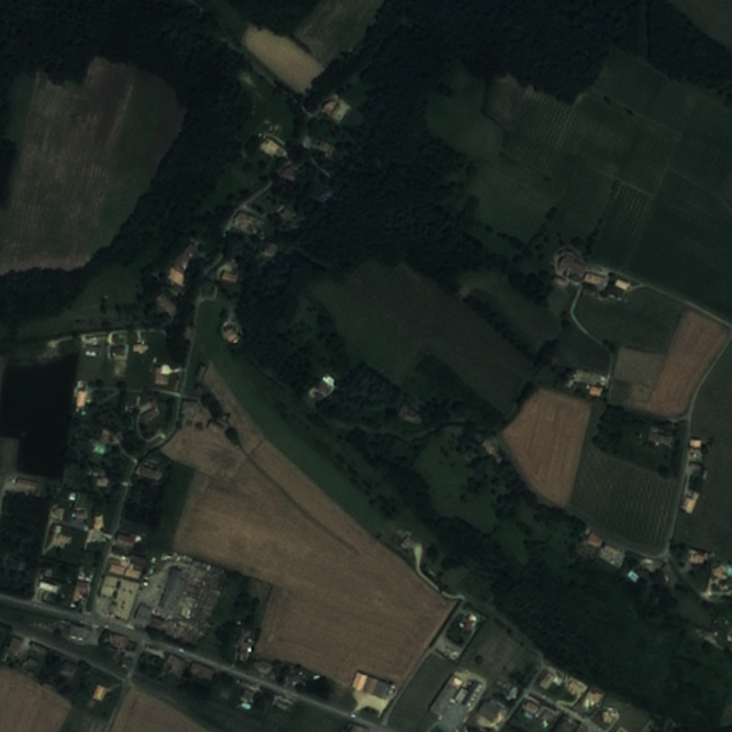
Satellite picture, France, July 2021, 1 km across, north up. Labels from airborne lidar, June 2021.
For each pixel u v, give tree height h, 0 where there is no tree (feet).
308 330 17
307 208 60
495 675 0
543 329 0
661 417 0
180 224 39
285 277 54
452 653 0
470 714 0
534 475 0
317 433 0
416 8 57
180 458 0
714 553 0
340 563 0
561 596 23
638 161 0
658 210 0
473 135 0
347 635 0
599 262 0
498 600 21
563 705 0
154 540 0
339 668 0
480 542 35
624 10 65
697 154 0
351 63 62
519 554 0
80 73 69
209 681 23
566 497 0
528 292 63
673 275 0
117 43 59
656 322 0
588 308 0
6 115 68
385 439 31
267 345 57
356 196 88
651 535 0
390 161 61
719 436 0
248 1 46
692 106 0
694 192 0
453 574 0
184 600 0
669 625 18
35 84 0
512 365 0
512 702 24
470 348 0
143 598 0
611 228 0
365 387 70
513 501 62
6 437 0
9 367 0
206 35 22
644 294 0
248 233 0
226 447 0
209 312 0
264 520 0
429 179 58
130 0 68
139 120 0
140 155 0
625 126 0
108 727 0
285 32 38
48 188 0
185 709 0
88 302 0
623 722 0
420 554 0
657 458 0
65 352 0
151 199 54
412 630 0
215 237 41
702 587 0
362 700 0
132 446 35
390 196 90
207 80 46
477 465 54
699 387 0
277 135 0
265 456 0
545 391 0
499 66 74
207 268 24
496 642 0
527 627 29
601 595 19
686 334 0
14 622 0
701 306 0
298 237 67
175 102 0
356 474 33
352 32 0
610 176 0
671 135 0
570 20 74
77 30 85
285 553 0
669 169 0
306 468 0
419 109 61
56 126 0
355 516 0
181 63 60
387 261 32
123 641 0
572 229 0
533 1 84
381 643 0
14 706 0
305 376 37
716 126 0
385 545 0
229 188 0
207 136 64
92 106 0
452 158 47
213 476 0
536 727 0
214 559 0
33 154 0
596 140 0
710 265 0
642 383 0
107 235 0
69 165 0
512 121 0
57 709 0
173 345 55
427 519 39
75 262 0
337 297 0
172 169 90
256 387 0
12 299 72
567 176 0
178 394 0
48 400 0
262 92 0
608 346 20
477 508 0
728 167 0
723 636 0
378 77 32
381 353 0
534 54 61
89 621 0
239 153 46
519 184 0
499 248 0
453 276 70
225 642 35
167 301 0
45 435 0
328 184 30
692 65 43
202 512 0
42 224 0
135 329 20
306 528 0
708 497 0
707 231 0
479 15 59
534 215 0
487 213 0
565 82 63
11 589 31
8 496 20
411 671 0
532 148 0
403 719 0
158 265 49
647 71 0
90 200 0
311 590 0
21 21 56
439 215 56
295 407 0
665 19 59
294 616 0
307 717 0
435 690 0
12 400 0
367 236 60
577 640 20
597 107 0
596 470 0
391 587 0
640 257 0
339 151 26
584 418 0
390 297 0
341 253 56
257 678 0
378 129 76
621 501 0
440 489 0
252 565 0
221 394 0
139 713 0
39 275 59
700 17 0
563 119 0
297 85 0
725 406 0
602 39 67
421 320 0
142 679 0
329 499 0
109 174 0
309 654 0
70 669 0
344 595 0
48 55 40
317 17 0
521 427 0
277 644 0
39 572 35
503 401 0
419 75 95
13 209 0
